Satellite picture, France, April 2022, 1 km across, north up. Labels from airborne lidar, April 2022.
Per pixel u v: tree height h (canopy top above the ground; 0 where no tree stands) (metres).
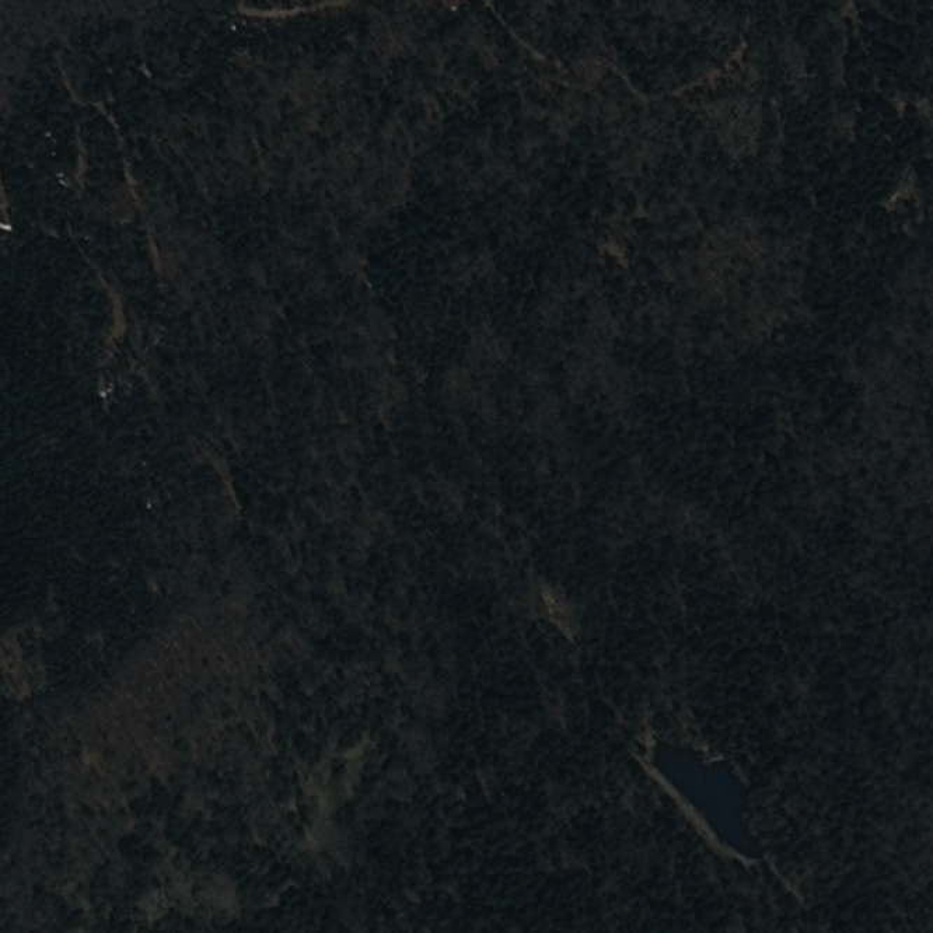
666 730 25
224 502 14
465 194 23
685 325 27
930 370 28
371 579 24
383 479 30
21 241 21
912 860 30
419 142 30
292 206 24
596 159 26
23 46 26
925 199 18
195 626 22
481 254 23
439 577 26
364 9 7
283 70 20
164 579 11
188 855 26
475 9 30
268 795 27
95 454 19
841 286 22
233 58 18
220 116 22
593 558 27
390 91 12
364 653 20
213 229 26
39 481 19
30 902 27
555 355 25
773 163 20
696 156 18
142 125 19
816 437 27
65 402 13
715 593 32
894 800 27
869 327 21
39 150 15
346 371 26
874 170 20
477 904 28
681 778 0
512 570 27
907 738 24
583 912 24
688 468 22
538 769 25
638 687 21
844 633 10
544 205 28
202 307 25
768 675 26
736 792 0
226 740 26
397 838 23
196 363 22
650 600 22
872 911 36
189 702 24
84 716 19
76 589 21
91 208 7
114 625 19
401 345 13
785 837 30
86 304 26
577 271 29
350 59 23
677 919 23
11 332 19
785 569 31
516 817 27
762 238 24
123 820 33
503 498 27
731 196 9
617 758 17
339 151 24
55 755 22
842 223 25
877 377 28
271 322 27
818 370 15
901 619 24
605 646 22
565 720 21
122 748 24
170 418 17
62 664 19
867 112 19
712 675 16
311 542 28
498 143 26
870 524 31
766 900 28
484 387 24
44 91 19
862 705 28
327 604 22
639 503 33
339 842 22
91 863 25
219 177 22
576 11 17
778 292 26
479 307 38
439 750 23
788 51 24
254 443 28
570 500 30
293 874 22
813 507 26
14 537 17
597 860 22
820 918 26
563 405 27
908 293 26
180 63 13
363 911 29
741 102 27
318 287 24
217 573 23
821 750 26
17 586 15
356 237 28
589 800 22
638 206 23
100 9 25
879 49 24
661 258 23
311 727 22
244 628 22
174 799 23
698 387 29
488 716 22
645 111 23
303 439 19
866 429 26
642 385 26
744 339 26
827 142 19
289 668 24
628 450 27
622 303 26
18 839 20
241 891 28
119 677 19
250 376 25
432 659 27
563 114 23
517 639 19
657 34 22
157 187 21
